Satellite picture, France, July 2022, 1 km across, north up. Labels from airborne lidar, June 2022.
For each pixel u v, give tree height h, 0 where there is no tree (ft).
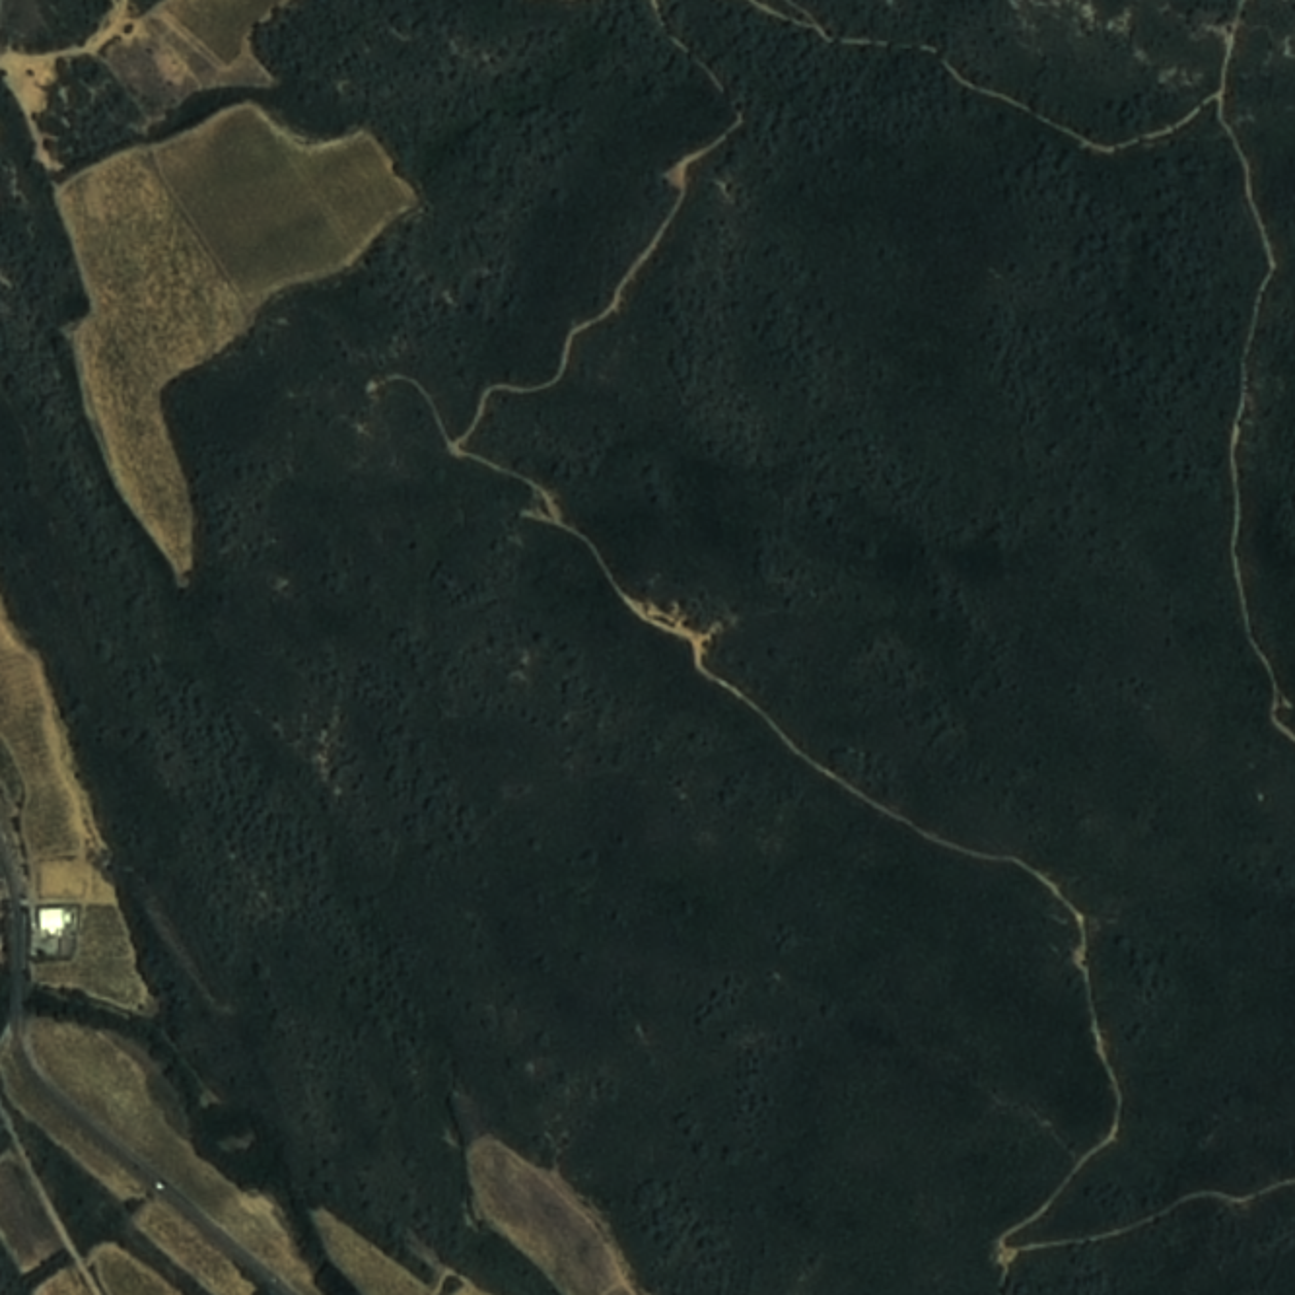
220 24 0
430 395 0
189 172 0
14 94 31
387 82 28
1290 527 34
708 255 24
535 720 31
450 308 41
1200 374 37
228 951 39
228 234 0
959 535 29
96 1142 0
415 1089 29
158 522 0
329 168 0
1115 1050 17
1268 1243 35
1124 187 26
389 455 0
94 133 26
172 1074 48
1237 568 0
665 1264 20
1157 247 39
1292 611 19
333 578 43
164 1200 0
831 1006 26
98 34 0
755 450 26
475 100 28
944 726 28
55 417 24
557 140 24
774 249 34
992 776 28
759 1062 23
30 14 0
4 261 31
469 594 33
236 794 37
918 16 27
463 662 29
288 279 0
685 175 0
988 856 0
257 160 0
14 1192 0
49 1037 0
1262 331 25
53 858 0
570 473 31
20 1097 0
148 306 0
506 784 0
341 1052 32
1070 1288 27
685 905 31
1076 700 23
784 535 26
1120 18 0
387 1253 32
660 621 0
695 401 19
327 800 33
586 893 20
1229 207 21
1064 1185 0
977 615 18
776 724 0
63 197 0
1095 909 0
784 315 42
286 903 30
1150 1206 27
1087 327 30
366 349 25
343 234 0
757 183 24
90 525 43
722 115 22
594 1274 0
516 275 23
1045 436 19
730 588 0
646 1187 31
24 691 0
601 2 38
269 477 28
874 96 43
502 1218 0
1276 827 0
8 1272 26
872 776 31
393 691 44
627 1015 21
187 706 35
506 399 24
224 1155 31
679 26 38
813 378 33
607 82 24
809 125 41
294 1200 34
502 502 23
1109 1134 0
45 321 42
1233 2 31
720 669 0
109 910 0
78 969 0
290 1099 0
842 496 36
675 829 0
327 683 36
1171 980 25
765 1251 27
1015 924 20
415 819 37
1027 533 23
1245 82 30
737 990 23
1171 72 0
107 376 0
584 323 0
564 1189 0
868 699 24
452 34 20
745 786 28
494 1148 0
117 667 29
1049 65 27
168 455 0
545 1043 22
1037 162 32
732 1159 28
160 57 0
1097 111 26
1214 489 41
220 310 0
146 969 42
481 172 33
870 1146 0
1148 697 23
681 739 20
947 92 27
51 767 0
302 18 34
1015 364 28
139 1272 0
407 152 38
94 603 40
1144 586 21
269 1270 0
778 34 26
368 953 39
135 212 0
